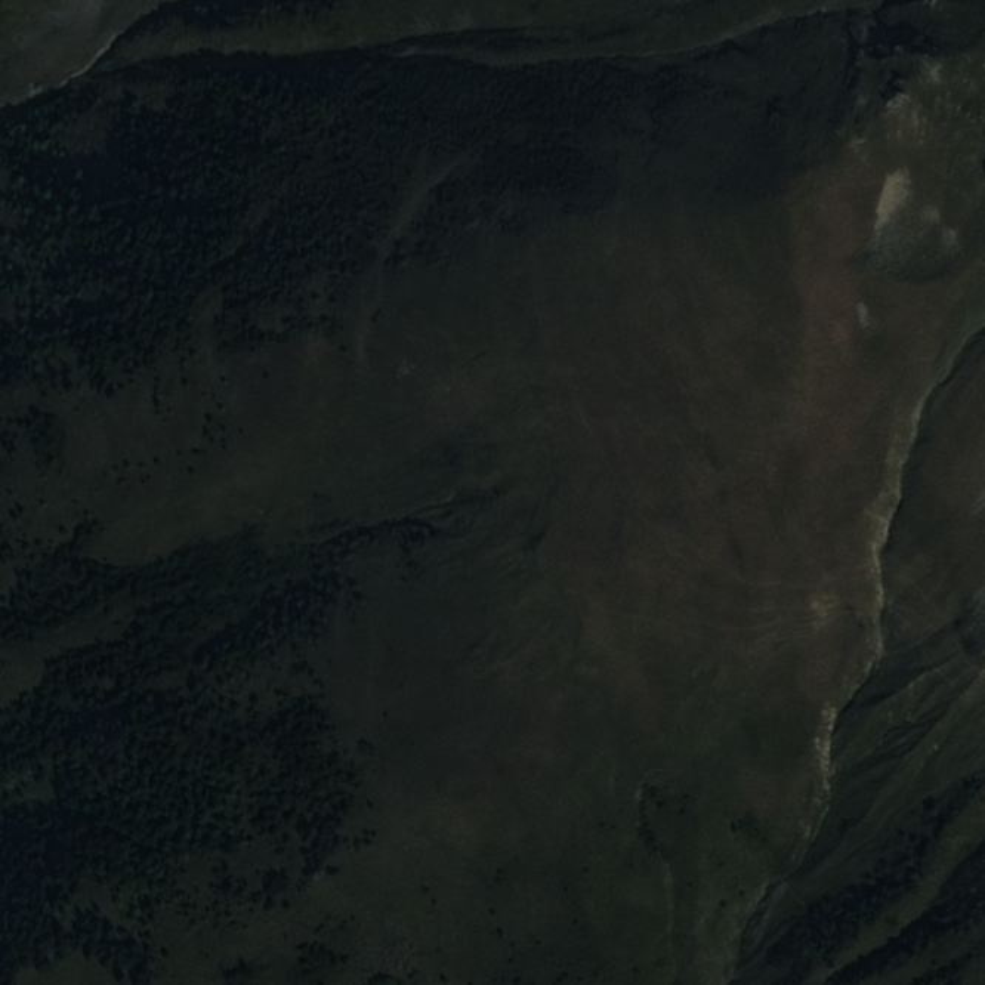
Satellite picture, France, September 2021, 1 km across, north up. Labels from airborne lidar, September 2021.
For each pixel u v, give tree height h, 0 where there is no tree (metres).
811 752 0
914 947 13
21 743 13
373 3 0
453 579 0
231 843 13
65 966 12
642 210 0
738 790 0
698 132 0
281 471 0
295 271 7
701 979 0
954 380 0
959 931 7
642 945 0
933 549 0
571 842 0
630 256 0
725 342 0
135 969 8
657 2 0
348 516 0
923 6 0
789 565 0
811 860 0
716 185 0
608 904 0
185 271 8
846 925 7
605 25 0
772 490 0
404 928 0
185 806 11
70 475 0
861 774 0
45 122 9
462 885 0
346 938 0
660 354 0
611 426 0
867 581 0
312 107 6
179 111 9
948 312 0
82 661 11
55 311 0
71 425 0
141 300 14
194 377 0
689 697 0
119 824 16
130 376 7
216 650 13
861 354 0
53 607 10
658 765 0
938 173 0
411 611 0
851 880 0
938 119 0
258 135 7
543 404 0
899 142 0
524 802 0
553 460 0
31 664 0
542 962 0
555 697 0
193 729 10
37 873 14
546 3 0
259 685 0
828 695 0
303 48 0
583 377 0
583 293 0
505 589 0
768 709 0
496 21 0
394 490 0
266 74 12
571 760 0
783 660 0
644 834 7
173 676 7
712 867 0
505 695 0
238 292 6
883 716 0
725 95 0
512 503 0
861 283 0
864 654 0
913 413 0
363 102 7
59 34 0
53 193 11
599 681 0
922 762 0
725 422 0
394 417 0
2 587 0
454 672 0
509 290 0
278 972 0
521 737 0
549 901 0
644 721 0
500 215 0
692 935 0
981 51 0
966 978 0
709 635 0
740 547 0
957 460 0
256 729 7
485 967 0
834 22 0
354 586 7
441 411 0
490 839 0
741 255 0
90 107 10
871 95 0
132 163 10
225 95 11
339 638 0
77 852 22
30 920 23
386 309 0
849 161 0
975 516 0
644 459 0
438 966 0
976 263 0
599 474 0
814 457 0
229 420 0
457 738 0
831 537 0
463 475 0
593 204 0
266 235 6
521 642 0
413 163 0
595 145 0
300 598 7
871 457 0
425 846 0
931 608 0
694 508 0
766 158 0
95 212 10
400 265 6
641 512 0
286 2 10
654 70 0
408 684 0
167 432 0
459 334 0
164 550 0
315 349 0
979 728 0
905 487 0
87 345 15
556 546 0
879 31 0
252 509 0
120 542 0
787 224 0
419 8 0
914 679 0
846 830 6
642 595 0
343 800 10
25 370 8
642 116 0
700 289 0
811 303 0
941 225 0
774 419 0
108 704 15
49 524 0
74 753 14
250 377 0
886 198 0
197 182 6
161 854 11
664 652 0
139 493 0
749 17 0
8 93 0
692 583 0
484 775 0
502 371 0
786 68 0
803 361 0
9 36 0
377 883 0
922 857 11
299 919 0
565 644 0
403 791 0
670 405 0
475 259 0
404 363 0
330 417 0
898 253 0
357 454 0
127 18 0
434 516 0
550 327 0
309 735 11
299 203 5
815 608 0
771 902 0
